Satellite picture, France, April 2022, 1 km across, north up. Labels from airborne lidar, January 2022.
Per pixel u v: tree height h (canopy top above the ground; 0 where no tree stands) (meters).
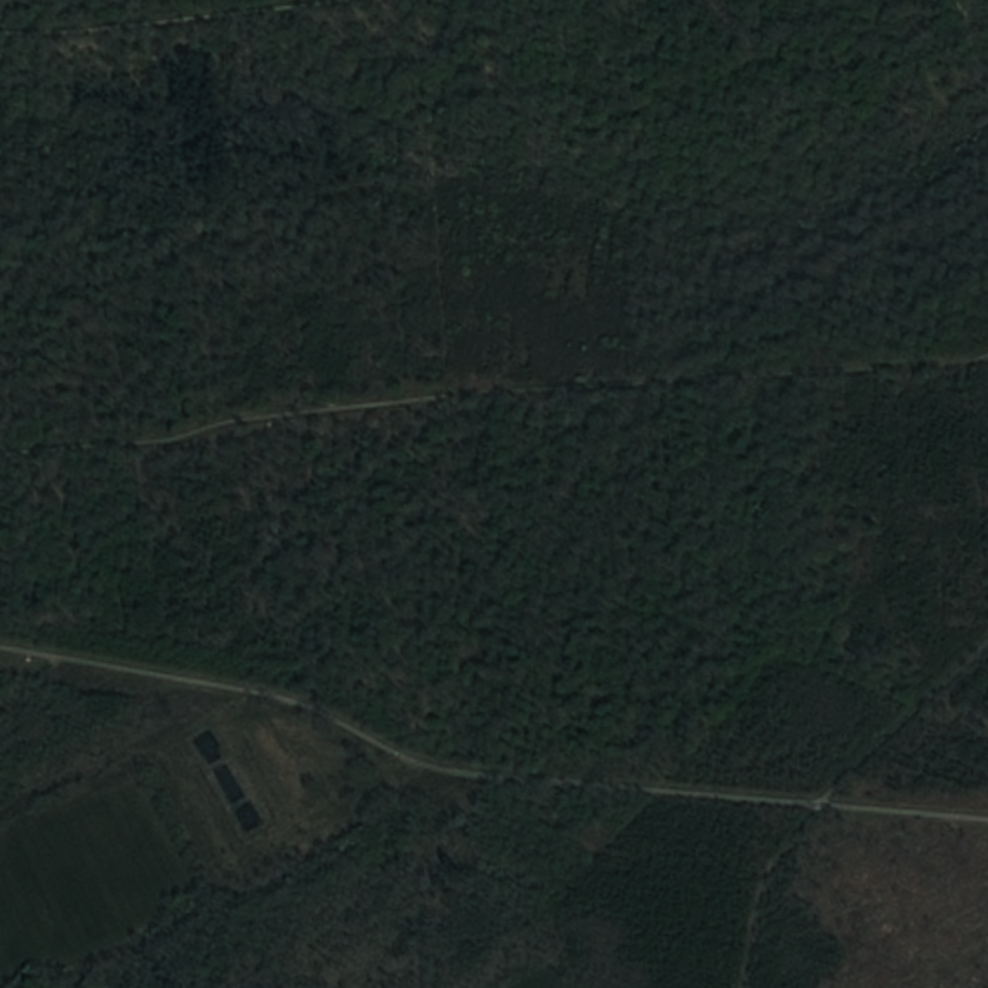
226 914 20
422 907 24
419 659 27
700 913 14
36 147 24
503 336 5
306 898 22
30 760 16
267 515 24
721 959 13
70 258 27
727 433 24
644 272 7
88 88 17
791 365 15
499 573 25
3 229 18
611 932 18
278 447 22
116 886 0
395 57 24
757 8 27
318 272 26
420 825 23
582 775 22
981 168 22
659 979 13
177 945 24
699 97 25
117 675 0
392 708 25
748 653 25
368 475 26
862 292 24
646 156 23
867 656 25
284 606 26
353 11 22
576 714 24
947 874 0
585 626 27
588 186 20
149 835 0
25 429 22
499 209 7
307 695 22
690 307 14
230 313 28
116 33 25
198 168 30
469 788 0
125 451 19
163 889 0
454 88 14
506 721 22
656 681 22
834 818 20
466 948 19
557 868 18
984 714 25
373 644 26
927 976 0
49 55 25
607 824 22
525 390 0
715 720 18
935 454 13
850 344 24
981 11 14
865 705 13
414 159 23
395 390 15
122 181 25
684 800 11
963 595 9
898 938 0
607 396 22
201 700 0
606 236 8
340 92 21
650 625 16
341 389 20
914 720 7
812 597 24
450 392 0
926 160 13
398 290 26
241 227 24
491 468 11
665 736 23
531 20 24
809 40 24
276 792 0
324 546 27
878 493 8
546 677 24
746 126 11
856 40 20
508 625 26
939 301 23
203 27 18
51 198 20
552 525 25
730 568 24
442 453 17
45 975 21
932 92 21
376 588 22
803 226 7
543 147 24
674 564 25
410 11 22
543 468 19
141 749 0
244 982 21
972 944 0
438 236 7
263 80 25
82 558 28
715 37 20
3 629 22
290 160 19
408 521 22
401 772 0
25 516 27
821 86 26
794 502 28
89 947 0
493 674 25
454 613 26
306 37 21
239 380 23
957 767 10
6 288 27
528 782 21
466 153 23
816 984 7
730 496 27
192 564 23
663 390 18
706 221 22
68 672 0
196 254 25
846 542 22
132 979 20
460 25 24
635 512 26
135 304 28
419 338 10
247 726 0
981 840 0
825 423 26
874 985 0
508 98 24
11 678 13
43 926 0
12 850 0
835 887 0
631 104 23
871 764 9
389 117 22
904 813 0
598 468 22
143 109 7
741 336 22
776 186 31
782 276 23
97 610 26
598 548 28
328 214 13
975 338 13
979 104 16
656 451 25
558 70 21
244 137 31
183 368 23
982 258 20
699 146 18
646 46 25
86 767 0
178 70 27
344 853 19
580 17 25
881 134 19
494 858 23
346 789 0
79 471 23
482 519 25
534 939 20
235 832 0
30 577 31
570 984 18
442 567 26
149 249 28
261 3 15
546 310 6
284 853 0
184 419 15
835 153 17
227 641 24
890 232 27
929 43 25
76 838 0
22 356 15
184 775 0
